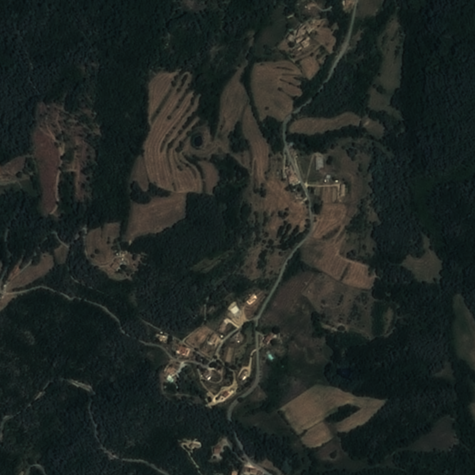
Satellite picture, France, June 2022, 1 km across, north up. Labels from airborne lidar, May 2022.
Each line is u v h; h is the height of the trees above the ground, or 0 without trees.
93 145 15
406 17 15
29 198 22
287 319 0
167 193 9
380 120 11
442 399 15
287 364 10
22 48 15
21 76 13
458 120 11
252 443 18
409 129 21
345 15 8
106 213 12
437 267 0
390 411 18
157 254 9
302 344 0
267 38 0
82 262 15
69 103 14
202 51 15
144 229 0
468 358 0
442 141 15
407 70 21
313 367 0
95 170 16
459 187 17
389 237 19
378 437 15
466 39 22
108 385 10
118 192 13
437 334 14
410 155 23
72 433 8
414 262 0
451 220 13
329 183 0
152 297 6
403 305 11
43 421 9
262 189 9
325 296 0
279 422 0
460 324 0
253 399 0
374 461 16
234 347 0
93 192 11
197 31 17
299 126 0
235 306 0
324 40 0
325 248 0
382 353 16
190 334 0
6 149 12
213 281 16
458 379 13
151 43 14
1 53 9
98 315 11
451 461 15
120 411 11
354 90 14
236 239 14
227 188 14
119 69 9
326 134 9
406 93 21
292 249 8
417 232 22
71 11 7
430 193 18
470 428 6
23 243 7
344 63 11
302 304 0
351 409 11
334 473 20
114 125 12
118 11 26
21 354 7
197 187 0
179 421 10
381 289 14
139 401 12
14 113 20
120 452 7
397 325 11
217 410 18
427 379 18
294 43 8
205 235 19
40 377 22
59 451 10
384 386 16
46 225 13
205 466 10
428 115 17
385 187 18
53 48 8
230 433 19
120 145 15
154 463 7
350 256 14
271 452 19
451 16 18
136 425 13
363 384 22
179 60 7
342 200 0
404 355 16
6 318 9
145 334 13
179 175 0
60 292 11
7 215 10
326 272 0
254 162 0
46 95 14
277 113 0
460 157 18
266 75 0
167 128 0
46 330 9
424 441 0
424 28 7
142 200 11
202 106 12
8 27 17
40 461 10
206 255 15
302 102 15
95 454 11
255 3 26
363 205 12
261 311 0
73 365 10
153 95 0
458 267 17
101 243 0
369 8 0
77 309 11
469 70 20
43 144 0
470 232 12
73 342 12
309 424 0
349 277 0
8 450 13
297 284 0
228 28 23
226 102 0
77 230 18
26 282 0
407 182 23
